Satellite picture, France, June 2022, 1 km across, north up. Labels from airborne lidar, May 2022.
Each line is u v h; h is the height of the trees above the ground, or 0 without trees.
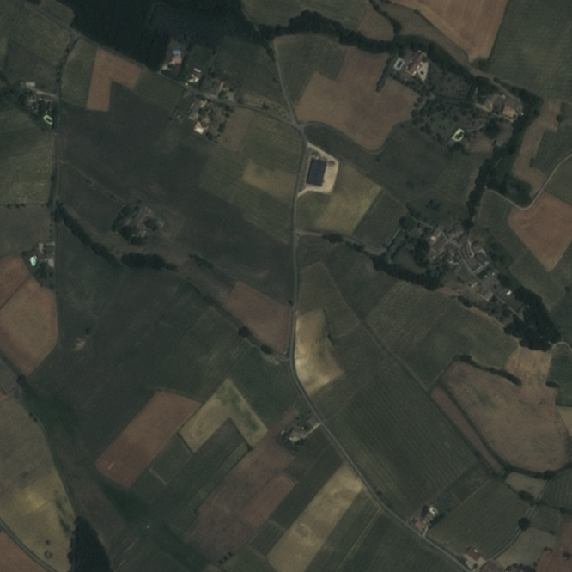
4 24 0
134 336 0
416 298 0
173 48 0
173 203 0
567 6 0
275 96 0
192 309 0
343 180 0
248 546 0
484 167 9
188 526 0
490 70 0
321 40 0
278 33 12
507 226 0
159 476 0
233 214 0
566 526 0
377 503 0
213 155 0
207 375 0
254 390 0
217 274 0
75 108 0
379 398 0
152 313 0
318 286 0
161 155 0
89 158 0
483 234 0
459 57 0
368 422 0
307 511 0
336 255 0
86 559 18
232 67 0
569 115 0
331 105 0
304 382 0
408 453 0
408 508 0
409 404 0
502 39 0
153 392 0
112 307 0
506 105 0
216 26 12
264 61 0
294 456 0
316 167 0
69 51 11
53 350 0
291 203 0
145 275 0
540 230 0
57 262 0
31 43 0
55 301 0
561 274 0
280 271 0
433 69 12
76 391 0
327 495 0
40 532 0
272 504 0
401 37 0
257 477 0
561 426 0
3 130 0
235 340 0
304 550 0
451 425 0
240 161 0
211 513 0
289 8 0
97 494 0
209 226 0
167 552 0
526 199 0
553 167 0
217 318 0
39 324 0
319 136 0
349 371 0
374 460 0
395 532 0
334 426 0
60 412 0
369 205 0
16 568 0
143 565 0
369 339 0
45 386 0
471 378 0
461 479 0
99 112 0
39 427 0
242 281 0
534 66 0
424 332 0
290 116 0
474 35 0
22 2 0
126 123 0
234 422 0
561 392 0
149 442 0
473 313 0
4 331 0
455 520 0
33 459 0
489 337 0
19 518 0
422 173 0
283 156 0
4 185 0
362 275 0
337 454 0
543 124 0
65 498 0
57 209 6
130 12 17
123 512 0
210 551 0
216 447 0
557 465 0
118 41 15
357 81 0
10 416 0
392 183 0
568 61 0
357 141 0
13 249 0
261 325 0
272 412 0
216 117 0
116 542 0
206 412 0
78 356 0
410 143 0
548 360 0
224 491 0
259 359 0
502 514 0
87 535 18
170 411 0
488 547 0
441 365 0
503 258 12
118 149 0
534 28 0
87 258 0
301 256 0
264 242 0
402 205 0
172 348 0
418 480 0
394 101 0
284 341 0
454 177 0
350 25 0
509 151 8
